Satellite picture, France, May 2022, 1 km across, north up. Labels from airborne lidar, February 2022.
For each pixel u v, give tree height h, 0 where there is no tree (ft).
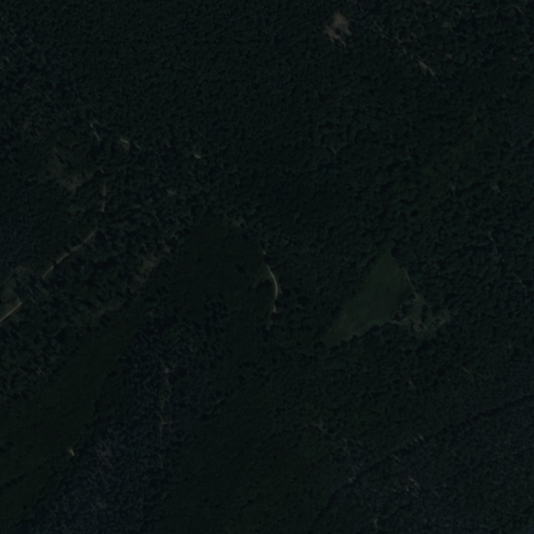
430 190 88
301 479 105
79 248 104
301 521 77
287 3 71
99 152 90
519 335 80
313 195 90
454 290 100
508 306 101
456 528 77
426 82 95
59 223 27
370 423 67
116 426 32
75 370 70
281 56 72
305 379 43
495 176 93
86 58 77
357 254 85
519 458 82
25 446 66
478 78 81
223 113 85
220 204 100
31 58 104
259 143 93
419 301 0
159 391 76
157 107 83
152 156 101
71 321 103
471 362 84
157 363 74
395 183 94
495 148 88
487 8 100
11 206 31
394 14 90
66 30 63
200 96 86
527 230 127
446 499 74
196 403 42
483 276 115
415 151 89
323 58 74
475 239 111
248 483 84
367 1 23
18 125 116
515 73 89
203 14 77
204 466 57
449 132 90
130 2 70
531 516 79
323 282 55
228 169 98
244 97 77
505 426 78
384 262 0
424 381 87
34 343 102
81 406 66
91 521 90
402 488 80
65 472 75
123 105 76
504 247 83
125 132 84
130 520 54
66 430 67
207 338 23
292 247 85
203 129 79
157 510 57
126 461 76
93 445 50
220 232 37
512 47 86
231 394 60
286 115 85
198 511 54
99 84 79
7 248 36
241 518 90
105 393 49
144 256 130
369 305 0
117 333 58
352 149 79
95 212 31
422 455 73
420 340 22
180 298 23
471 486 78
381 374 100
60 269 99
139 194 20
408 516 81
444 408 74
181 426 45
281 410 79
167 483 78
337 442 84
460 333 93
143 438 78
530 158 105
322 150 78
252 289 29
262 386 43
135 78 70
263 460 80
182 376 85
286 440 81
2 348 113
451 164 87
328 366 49
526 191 87
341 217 84
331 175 84
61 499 95
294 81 71
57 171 0
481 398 76
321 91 79
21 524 21
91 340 39
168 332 86
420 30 94
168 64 56
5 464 54
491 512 86
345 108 83
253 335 32
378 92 83
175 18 69
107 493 87
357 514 74
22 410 45
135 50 77
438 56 94
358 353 62
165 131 99
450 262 107
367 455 68
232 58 82
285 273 52
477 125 73
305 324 28
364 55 86
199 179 107
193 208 109
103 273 123
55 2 73
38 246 36
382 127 88
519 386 75
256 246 54
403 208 104
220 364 37
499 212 95
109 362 54
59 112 102
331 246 69
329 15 66
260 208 79
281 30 71
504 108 73
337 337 0
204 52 86
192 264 45
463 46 104
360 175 79
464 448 91
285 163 77
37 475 64
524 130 101
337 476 73
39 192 31
